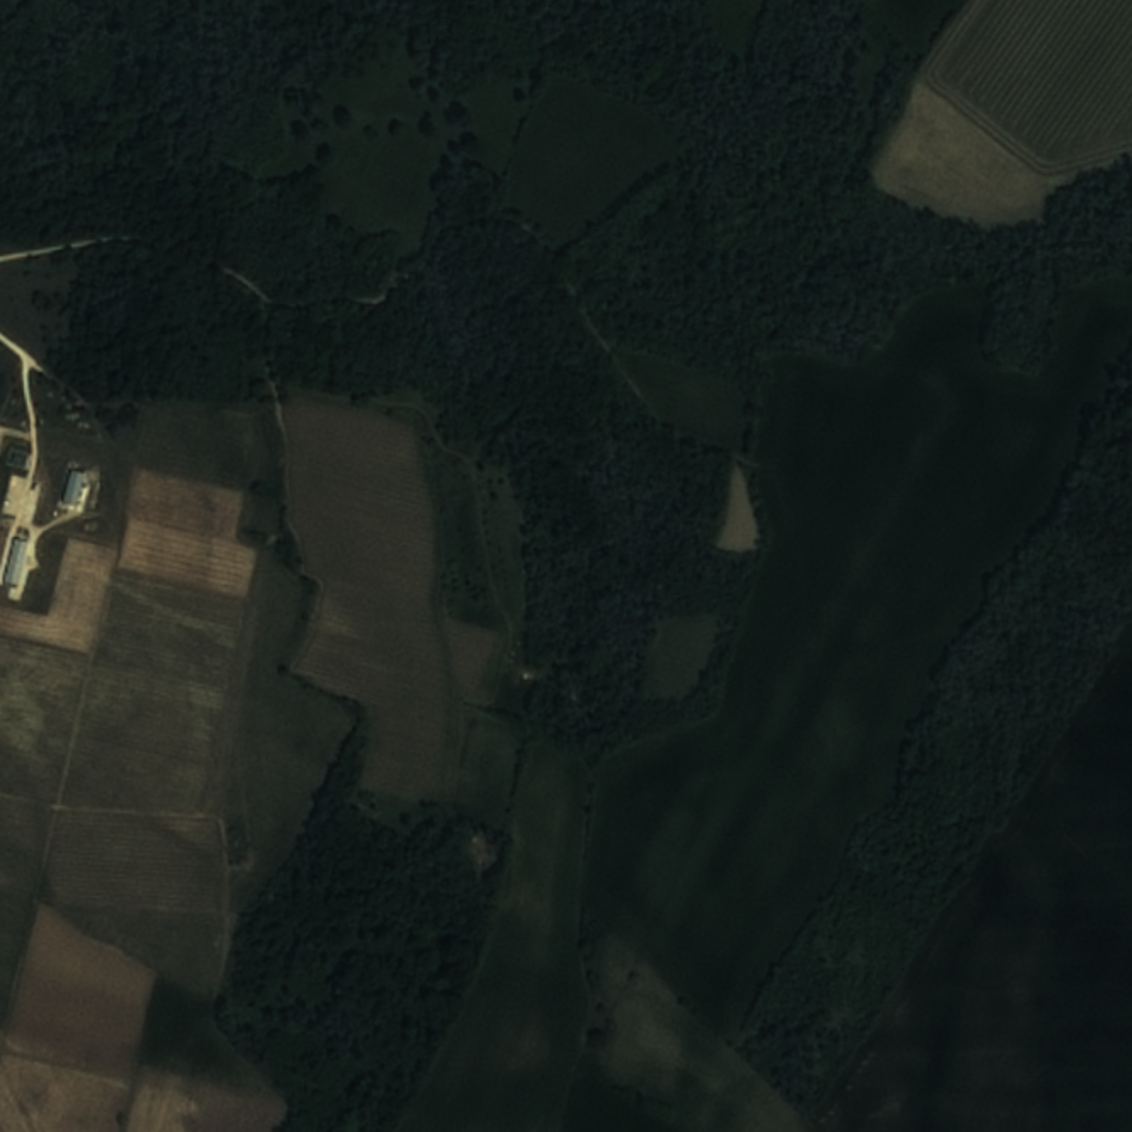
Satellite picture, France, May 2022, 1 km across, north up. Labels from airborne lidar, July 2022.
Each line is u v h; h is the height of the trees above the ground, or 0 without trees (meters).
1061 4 0
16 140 21
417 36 21
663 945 0
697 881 0
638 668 17
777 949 0
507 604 0
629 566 19
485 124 0
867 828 8
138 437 0
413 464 0
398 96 0
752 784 0
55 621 0
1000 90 0
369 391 9
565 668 12
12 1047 0
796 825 0
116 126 7
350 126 18
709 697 11
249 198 13
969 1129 0
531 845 0
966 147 0
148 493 0
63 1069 0
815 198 11
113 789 0
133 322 20
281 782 0
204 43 27
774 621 0
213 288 9
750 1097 0
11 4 21
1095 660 22
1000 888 0
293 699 0
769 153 11
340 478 0
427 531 0
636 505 21
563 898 0
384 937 25
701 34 24
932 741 14
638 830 0
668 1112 11
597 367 18
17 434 0
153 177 10
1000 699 18
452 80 13
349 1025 22
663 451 21
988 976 0
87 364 12
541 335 19
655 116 14
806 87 16
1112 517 27
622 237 17
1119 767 0
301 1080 9
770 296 20
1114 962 0
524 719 13
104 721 0
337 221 16
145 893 0
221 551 0
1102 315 0
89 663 0
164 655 0
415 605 0
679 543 17
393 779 0
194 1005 0
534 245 18
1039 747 15
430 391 14
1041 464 0
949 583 0
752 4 0
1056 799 0
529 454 20
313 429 0
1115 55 0
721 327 9
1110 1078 0
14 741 0
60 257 8
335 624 0
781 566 0
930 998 0
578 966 0
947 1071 0
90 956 0
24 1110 0
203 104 25
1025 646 20
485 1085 0
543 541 6
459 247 15
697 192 12
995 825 9
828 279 28
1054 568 20
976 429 0
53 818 0
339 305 12
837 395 0
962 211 0
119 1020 0
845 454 0
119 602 0
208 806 0
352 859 21
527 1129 0
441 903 25
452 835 17
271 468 0
